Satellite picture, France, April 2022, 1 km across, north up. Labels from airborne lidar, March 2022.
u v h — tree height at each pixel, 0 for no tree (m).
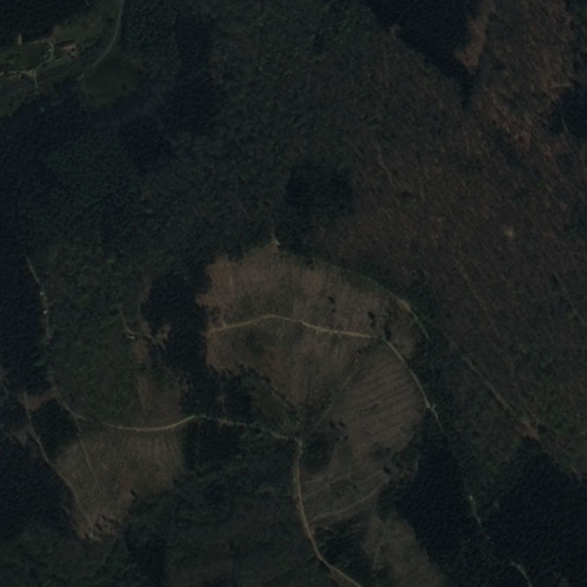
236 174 30
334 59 16
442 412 20
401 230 25
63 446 0
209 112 24
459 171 24
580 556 13
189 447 8
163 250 24
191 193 27
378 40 21
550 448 20
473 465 20
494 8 0
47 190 13
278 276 0
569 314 16
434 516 27
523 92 24
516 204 21
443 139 16
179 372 24
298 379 0
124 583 25
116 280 16
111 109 0
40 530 25
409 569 0
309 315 0
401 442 0
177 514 24
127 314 18
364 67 21
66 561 21
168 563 20
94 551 27
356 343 0
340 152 18
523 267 20
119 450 0
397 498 12
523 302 22
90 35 0
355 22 16
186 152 28
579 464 19
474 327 22
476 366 19
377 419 0
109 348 15
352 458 0
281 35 22
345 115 21
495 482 17
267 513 28
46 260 21
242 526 29
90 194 23
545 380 22
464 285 26
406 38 14
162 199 26
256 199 25
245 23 20
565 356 19
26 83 21
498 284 19
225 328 0
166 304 25
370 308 0
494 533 25
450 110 16
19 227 33
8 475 30
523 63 19
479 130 22
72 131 27
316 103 20
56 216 24
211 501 21
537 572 28
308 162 11
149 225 22
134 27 27
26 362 21
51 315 7
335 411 0
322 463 0
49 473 32
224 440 8
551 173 13
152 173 28
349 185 13
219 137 29
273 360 0
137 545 17
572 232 20
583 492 31
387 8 21
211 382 26
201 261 20
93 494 0
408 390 0
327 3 17
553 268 20
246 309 0
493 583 26
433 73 18
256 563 28
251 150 28
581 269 19
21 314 30
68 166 26
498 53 18
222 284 0
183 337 23
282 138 28
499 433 20
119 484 0
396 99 20
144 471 0
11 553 6
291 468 21
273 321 0
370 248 24
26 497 30
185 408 26
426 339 9
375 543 0
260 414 26
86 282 18
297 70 25
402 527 0
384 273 26
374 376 0
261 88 20
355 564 5
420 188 22
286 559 28
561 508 32
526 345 20
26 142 24
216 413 27
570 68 24
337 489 0
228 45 24
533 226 23
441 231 26
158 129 31
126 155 27
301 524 26
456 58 15
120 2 0
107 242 18
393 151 20
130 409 23
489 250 24
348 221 20
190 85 27
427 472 27
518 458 19
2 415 31
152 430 0
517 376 11
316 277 0
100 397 20
